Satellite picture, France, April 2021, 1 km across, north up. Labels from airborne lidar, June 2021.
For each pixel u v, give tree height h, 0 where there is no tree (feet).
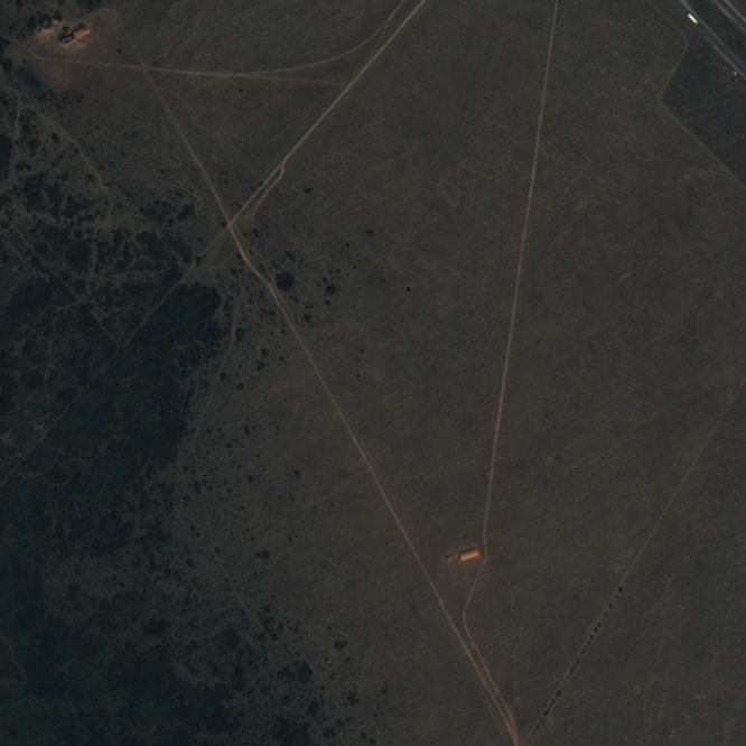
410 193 0
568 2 0
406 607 0
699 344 0
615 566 0
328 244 0
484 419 0
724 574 0
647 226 0
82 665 0
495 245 0
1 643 0
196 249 0
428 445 0
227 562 0
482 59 0
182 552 0
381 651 0
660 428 0
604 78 0
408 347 0
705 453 0
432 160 0
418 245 0
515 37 0
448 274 0
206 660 0
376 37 0
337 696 0
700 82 0
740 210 0
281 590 0
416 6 0
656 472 0
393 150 0
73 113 0
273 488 0
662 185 0
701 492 0
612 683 0
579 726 0
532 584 0
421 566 0
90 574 0
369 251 0
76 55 0
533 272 0
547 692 0
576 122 0
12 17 0
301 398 0
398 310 0
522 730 0
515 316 0
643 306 0
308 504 0
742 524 0
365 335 0
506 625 0
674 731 0
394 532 0
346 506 0
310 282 0
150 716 0
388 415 0
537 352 0
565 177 0
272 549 0
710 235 0
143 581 0
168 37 0
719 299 0
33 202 22
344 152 0
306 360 0
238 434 0
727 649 0
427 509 0
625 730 0
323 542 0
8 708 0
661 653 0
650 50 0
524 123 0
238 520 0
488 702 0
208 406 0
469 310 0
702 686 0
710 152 0
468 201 0
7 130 0
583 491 0
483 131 0
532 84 0
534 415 0
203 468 0
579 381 0
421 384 0
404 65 0
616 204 0
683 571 0
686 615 0
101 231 0
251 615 0
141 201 0
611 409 0
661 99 0
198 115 0
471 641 0
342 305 0
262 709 0
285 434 0
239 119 0
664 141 0
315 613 0
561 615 0
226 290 0
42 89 0
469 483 0
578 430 0
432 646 0
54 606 0
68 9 0
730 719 0
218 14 0
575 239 0
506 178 0
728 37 0
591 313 0
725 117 0
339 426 0
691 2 0
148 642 0
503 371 0
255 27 0
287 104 0
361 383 0
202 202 0
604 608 0
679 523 0
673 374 0
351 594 0
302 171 0
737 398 0
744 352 0
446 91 0
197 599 0
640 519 0
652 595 0
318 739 0
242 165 0
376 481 0
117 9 0
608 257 0
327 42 0
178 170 0
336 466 0
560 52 0
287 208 0
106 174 0
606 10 0
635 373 0
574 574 0
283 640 0
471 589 0
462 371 0
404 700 0
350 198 0
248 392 0
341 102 0
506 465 0
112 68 0
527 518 0
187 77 0
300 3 0
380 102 0
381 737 0
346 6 0
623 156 0
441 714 0
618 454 0
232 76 0
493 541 0
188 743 18
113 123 0
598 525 0
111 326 19
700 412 0
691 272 0
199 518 0
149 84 0
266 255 0
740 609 0
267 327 0
